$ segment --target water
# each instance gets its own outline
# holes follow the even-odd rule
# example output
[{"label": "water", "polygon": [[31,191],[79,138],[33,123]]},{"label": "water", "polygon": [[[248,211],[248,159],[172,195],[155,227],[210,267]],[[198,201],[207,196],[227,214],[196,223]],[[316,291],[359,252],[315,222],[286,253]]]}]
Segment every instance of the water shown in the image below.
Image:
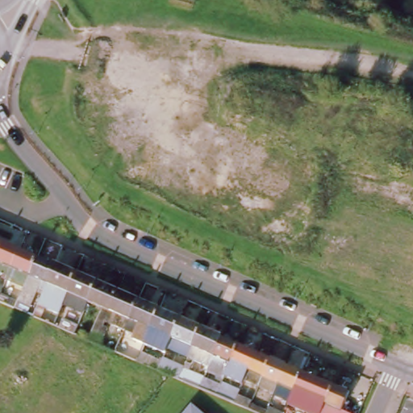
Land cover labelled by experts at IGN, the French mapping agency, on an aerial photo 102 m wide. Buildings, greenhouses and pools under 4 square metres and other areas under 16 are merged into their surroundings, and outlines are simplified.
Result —
[{"label": "water", "polygon": [[389,10],[394,19],[413,18],[413,0],[369,0],[378,5],[379,13]]}]

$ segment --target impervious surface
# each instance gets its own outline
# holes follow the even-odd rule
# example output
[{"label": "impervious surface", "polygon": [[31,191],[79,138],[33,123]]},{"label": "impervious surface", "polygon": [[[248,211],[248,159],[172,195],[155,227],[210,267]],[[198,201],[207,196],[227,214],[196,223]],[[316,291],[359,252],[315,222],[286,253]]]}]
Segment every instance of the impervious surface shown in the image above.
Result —
[{"label": "impervious surface", "polygon": [[45,189],[40,190],[40,197],[44,198],[42,202],[34,203],[27,200],[24,197],[21,173],[0,163],[0,208],[42,224],[45,219],[53,216],[65,216],[69,223],[73,224],[77,234],[82,239],[98,240],[127,257],[137,258],[152,265],[152,268],[160,273],[181,279],[190,286],[198,287],[229,302],[237,302],[261,311],[266,316],[281,319],[292,326],[292,332],[292,336],[297,337],[303,332],[311,339],[329,342],[339,352],[350,352],[363,358],[363,365],[366,374],[374,374],[374,371],[381,373],[378,381],[378,389],[366,413],[413,413],[413,347],[397,344],[387,350],[378,347],[379,334],[371,331],[348,319],[310,307],[298,298],[277,292],[240,273],[200,258],[184,248],[174,247],[165,240],[137,231],[136,227],[127,226],[108,215],[102,206],[90,202],[90,198],[77,184],[76,179],[42,144],[42,140],[35,136],[19,111],[19,79],[27,61],[32,58],[29,53],[32,42],[37,37],[40,24],[50,10],[50,0],[0,0],[0,137],[5,137],[8,147],[45,186]]},{"label": "impervious surface", "polygon": [[378,73],[389,73],[394,77],[403,74],[407,65],[395,63],[386,52],[378,56],[373,68]]}]

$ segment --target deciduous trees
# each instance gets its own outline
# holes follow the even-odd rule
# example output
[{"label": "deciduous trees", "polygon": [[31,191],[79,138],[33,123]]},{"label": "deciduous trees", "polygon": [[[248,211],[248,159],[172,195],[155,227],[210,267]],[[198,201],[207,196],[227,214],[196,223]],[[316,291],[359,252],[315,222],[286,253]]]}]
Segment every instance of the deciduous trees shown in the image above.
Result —
[{"label": "deciduous trees", "polygon": [[344,19],[353,26],[376,29],[379,34],[386,31],[387,35],[413,42],[413,18],[394,19],[389,10],[379,13],[378,5],[369,0],[240,0],[247,6],[248,16],[260,16],[266,23],[286,23],[294,18],[297,11],[310,11],[313,15]]},{"label": "deciduous trees", "polygon": [[345,87],[340,87],[334,77],[315,76],[313,82],[318,87],[319,102],[336,105]]},{"label": "deciduous trees", "polygon": [[371,81],[363,81],[358,84],[361,94],[365,97],[382,98],[386,102],[387,110],[402,119],[405,129],[413,136],[413,102],[403,89],[386,90],[381,82]]}]

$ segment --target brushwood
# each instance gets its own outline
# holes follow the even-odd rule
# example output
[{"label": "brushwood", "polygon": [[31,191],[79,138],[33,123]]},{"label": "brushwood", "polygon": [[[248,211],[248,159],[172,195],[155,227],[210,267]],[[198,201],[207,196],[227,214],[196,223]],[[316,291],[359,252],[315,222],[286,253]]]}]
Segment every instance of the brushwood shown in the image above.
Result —
[{"label": "brushwood", "polygon": [[237,302],[229,302],[232,310],[237,311],[239,315],[260,321],[265,326],[284,334],[292,332],[292,326],[281,319],[266,316],[261,311]]},{"label": "brushwood", "polygon": [[303,332],[297,337],[303,342],[321,348],[324,352],[336,353],[355,365],[363,365],[363,358],[350,352],[339,352],[329,342],[311,339]]},{"label": "brushwood", "polygon": [[[340,87],[345,87],[336,105],[319,102],[318,87],[313,82],[315,76],[334,77]],[[382,98],[365,97],[361,94],[358,84],[363,81],[365,74],[360,74],[353,66],[339,63],[324,65],[321,69],[247,63],[223,69],[219,76],[213,77],[206,84],[206,113],[213,119],[211,123],[219,127],[232,127],[245,134],[247,139],[261,142],[268,155],[274,161],[282,160],[286,156],[290,173],[289,187],[284,190],[281,198],[266,194],[265,190],[258,190],[252,184],[247,184],[244,177],[237,177],[239,186],[231,189],[221,187],[218,194],[211,195],[190,192],[187,194],[179,189],[156,186],[147,179],[127,176],[119,173],[119,181],[147,192],[155,192],[163,198],[163,202],[184,211],[187,215],[198,216],[211,226],[258,242],[261,247],[271,248],[274,252],[287,253],[290,260],[298,265],[318,269],[324,248],[332,240],[329,234],[323,234],[329,219],[342,215],[345,206],[353,208],[357,213],[376,210],[384,197],[381,194],[355,192],[352,187],[353,174],[376,179],[394,177],[395,182],[413,187],[413,136],[405,129],[402,119],[387,110],[386,102]],[[271,210],[247,210],[240,203],[244,197],[265,198],[274,206]],[[261,227],[265,226],[265,224],[273,223],[273,221],[276,221],[276,219],[282,219],[282,221],[286,221],[286,224],[292,224],[292,229],[290,229],[289,232],[261,231]]]},{"label": "brushwood", "polygon": [[378,73],[373,68],[368,73],[371,81],[381,82],[386,90],[403,89],[413,102],[413,77],[403,74],[394,77],[389,73]]},{"label": "brushwood", "polygon": [[240,273],[277,292],[298,298],[310,307],[348,319],[371,331],[376,326],[376,319],[379,318],[376,308],[355,310],[340,295],[332,300],[324,294],[318,284],[315,284],[315,281],[305,281],[302,276],[295,276],[294,271],[284,273],[276,263],[255,260]]}]

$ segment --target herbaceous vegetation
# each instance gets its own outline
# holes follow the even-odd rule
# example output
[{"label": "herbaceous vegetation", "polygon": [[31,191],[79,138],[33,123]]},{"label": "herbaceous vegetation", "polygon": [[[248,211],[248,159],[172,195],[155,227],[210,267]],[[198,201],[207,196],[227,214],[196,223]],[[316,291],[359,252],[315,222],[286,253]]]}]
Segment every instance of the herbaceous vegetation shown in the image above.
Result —
[{"label": "herbaceous vegetation", "polygon": [[111,24],[132,24],[156,29],[187,29],[189,26],[195,26],[200,27],[200,31],[205,34],[250,44],[334,50],[340,53],[339,63],[353,66],[360,74],[365,74],[363,81],[371,81],[368,73],[373,68],[378,56],[386,52],[395,63],[407,65],[403,74],[413,77],[413,42],[387,35],[386,31],[379,34],[376,29],[353,26],[344,19],[313,15],[310,11],[297,11],[294,18],[286,23],[266,23],[260,16],[248,16],[247,6],[240,0],[190,0],[192,10],[182,10],[169,5],[168,0],[50,0],[50,10],[40,24],[37,37],[74,40],[77,34],[81,34],[81,27]]},{"label": "herbaceous vegetation", "polygon": [[265,226],[261,227],[261,231],[289,232],[290,229],[292,229],[292,224],[286,224],[286,221],[282,221],[282,219],[276,219],[276,221],[273,221],[273,223],[265,224]]},{"label": "herbaceous vegetation", "polygon": [[394,177],[376,179],[353,174],[352,187],[355,192],[381,194],[384,197],[394,198],[413,211],[413,187],[395,182]]},{"label": "herbaceous vegetation", "polygon": [[98,342],[89,332],[68,334],[63,329],[58,329],[55,324],[48,323],[47,319],[34,318],[27,315],[26,311],[13,310],[11,305],[0,300],[0,413],[181,413],[189,402],[194,403],[200,413],[253,413],[255,407],[252,405],[245,407],[221,395],[215,400],[189,384],[184,384],[177,379],[173,368],[158,368],[144,361],[126,357],[124,353],[116,352],[113,348]]},{"label": "herbaceous vegetation", "polygon": [[153,35],[132,32],[132,42],[139,42],[140,50],[147,50],[150,45],[155,44]]},{"label": "herbaceous vegetation", "polygon": [[119,181],[119,173],[127,176],[123,156],[108,144],[106,131],[115,118],[110,116],[108,105],[95,105],[84,97],[81,74],[87,73],[86,66],[76,61],[32,58],[27,61],[19,79],[19,111],[35,136],[42,140],[42,144],[76,179],[77,184],[90,198],[90,202],[102,206],[108,215],[127,226],[136,227],[137,231],[165,240],[174,247],[184,248],[200,258],[240,273],[255,260],[276,263],[284,273],[294,271],[295,276],[302,276],[305,281],[315,281],[315,284],[318,284],[324,294],[332,300],[340,295],[355,310],[376,308],[379,318],[376,319],[376,326],[371,331],[379,334],[378,347],[387,350],[397,344],[413,347],[413,310],[405,305],[390,302],[387,295],[374,292],[363,284],[352,292],[352,287],[348,284],[336,284],[324,277],[323,273],[319,273],[318,269],[298,265],[290,260],[287,253],[274,252],[271,248],[261,247],[258,242],[211,226],[198,216],[187,215],[184,211],[163,202],[163,198],[155,192],[147,192]]},{"label": "herbaceous vegetation", "polygon": [[366,397],[361,400],[361,413],[366,413],[378,389],[378,381],[369,384]]},{"label": "herbaceous vegetation", "polygon": [[40,197],[40,190],[45,189],[45,186],[8,147],[5,137],[0,137],[0,163],[21,173],[24,197],[27,200],[34,203],[42,202],[44,198]]},{"label": "herbaceous vegetation", "polygon": [[65,216],[53,216],[45,219],[42,224],[63,237],[73,237],[77,234],[73,224],[69,223]]},{"label": "herbaceous vegetation", "polygon": [[286,156],[282,160],[274,161],[268,155],[263,161],[263,168],[268,168],[271,173],[290,173]]}]

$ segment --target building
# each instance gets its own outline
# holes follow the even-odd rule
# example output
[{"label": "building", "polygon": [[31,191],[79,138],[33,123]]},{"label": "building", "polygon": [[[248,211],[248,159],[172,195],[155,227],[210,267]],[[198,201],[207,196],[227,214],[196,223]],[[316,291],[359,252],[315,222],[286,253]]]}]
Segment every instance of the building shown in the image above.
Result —
[{"label": "building", "polygon": [[200,413],[194,403],[189,402],[181,413]]},{"label": "building", "polygon": [[182,10],[192,10],[190,0],[168,0],[169,5]]},{"label": "building", "polygon": [[189,384],[215,400],[221,395],[245,407],[252,405],[255,407],[253,413],[361,413],[361,400],[366,397],[369,384],[378,381],[381,373],[374,371],[374,374],[366,374],[363,365],[355,365],[336,353],[324,352],[321,348],[303,342],[297,337],[292,336],[292,332],[284,334],[265,326],[260,321],[239,315],[237,311],[232,310],[229,302],[198,287],[190,286],[181,279],[160,273],[152,268],[152,265],[137,258],[127,257],[98,240],[82,239],[77,234],[73,237],[63,237],[42,224],[0,208],[0,300],[11,305],[13,310],[26,311],[27,315],[34,318],[47,319],[48,323],[55,324],[58,329],[63,329],[68,334],[89,332],[98,342],[113,348],[116,352],[124,353],[126,357],[144,361],[158,368],[173,368],[177,379],[184,384]]}]

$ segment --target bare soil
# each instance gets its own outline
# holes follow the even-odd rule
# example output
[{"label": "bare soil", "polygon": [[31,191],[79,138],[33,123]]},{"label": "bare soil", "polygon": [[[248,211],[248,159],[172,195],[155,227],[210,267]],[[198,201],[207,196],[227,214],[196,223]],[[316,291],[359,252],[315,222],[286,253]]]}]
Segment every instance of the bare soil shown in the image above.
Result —
[{"label": "bare soil", "polygon": [[[140,50],[139,42],[132,42],[132,32],[153,35],[155,44],[150,45],[147,50]],[[108,105],[110,116],[115,118],[106,131],[108,144],[123,156],[127,176],[147,179],[156,186],[179,189],[187,194],[190,192],[211,195],[218,194],[221,187],[231,189],[239,186],[237,177],[244,177],[247,184],[252,184],[258,190],[265,190],[266,194],[281,198],[284,190],[289,187],[290,173],[271,173],[268,168],[263,168],[263,161],[268,155],[261,142],[247,139],[245,134],[232,127],[219,127],[211,123],[213,119],[206,113],[206,84],[213,77],[219,76],[223,69],[247,63],[321,69],[324,65],[339,63],[340,53],[334,50],[250,44],[205,34],[200,31],[200,27],[195,26],[189,26],[187,29],[156,29],[132,24],[111,24],[81,27],[81,34],[77,34],[74,40],[37,37],[32,42],[29,53],[32,58],[76,61],[86,66],[87,73],[81,74],[84,97],[95,105]]]},{"label": "bare soil", "polygon": [[240,203],[247,210],[271,210],[274,206],[265,198],[244,197]]}]

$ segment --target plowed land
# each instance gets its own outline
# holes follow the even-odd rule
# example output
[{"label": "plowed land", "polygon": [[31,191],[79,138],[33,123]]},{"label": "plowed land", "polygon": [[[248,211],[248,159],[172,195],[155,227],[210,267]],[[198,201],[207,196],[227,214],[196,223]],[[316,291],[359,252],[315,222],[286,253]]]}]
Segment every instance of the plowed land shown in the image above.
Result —
[{"label": "plowed land", "polygon": [[390,302],[405,305],[413,310],[413,211],[394,198],[384,197],[376,210],[357,213],[353,208],[345,206],[342,215],[329,219],[323,234],[329,234],[332,240],[324,248],[318,269],[319,273],[323,273],[324,277],[336,284],[348,284],[352,287],[352,292],[363,284],[374,292],[387,295]]}]

